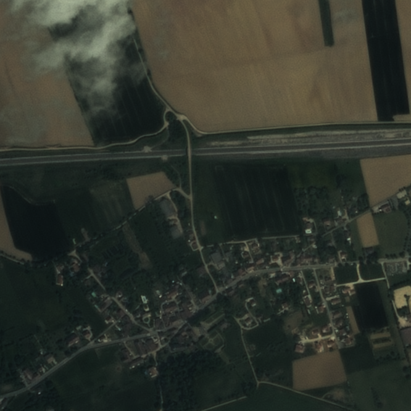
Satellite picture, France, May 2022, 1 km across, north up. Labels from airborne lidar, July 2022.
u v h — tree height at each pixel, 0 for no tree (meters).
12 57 0
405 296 8
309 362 0
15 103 0
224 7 0
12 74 0
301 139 0
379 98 0
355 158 0
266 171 0
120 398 0
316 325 0
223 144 0
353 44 0
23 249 0
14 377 11
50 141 0
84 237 0
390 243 0
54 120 0
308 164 0
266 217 0
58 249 0
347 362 0
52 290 0
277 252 0
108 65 0
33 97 0
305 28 0
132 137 0
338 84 0
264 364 0
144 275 6
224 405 0
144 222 0
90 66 0
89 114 0
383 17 0
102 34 0
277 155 0
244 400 0
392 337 0
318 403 0
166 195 0
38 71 0
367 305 0
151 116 0
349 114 0
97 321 0
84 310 0
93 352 0
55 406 13
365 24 0
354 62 0
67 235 0
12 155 0
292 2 0
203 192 0
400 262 0
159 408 15
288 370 0
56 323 0
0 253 9
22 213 0
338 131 0
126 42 0
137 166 0
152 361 16
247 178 0
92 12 0
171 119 6
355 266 8
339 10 0
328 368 0
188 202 0
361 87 0
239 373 0
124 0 0
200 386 0
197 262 0
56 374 0
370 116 0
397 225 0
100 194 0
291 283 8
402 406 0
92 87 0
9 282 0
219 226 0
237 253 9
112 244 0
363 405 0
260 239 11
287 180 0
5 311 0
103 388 7
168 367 20
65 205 0
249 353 0
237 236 0
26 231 0
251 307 6
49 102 0
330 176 0
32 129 0
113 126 0
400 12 0
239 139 0
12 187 0
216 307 9
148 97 0
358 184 0
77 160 0
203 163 0
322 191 14
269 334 0
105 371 0
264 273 0
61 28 0
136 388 0
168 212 0
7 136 0
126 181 0
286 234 0
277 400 0
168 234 11
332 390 0
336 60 0
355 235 0
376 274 0
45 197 0
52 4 0
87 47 0
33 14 0
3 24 0
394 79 0
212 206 0
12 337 0
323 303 0
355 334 0
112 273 17
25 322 0
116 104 0
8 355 0
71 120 0
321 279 9
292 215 0
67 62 0
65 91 0
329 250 16
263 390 0
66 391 0
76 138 0
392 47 0
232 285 0
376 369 0
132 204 0
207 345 0
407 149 0
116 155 0
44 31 0
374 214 7
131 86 0
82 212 0
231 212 0
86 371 0
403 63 0
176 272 13
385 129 0
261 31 0
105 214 0
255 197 0
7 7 0
